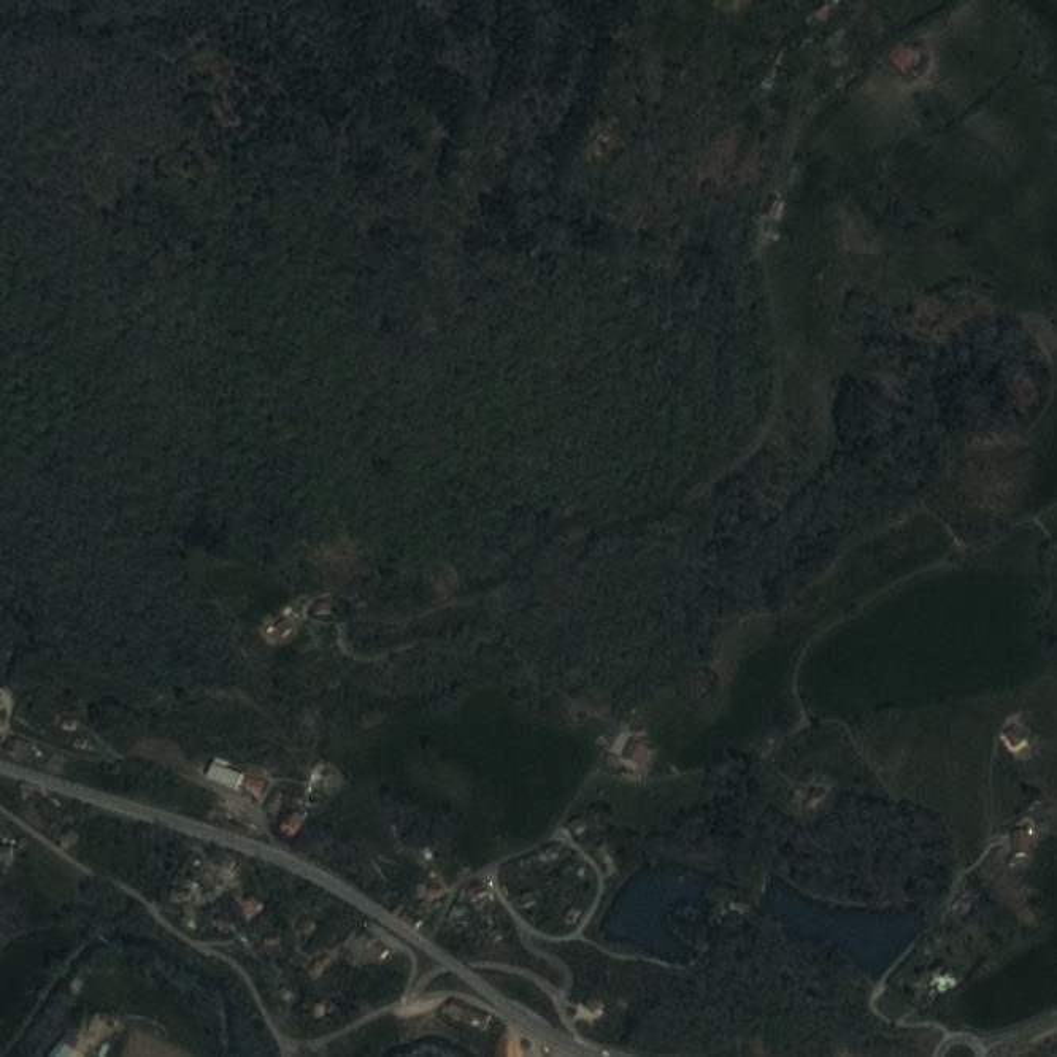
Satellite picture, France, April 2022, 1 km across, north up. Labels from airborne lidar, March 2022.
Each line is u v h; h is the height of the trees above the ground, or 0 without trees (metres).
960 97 0
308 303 15
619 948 10
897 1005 0
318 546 20
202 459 23
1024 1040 0
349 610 12
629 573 15
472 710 0
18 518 23
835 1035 11
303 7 8
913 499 28
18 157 19
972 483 0
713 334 9
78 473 12
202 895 0
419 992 0
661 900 0
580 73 18
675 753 0
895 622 0
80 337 17
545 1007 0
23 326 19
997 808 0
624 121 0
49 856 0
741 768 26
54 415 26
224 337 19
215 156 13
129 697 6
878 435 30
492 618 10
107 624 17
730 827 29
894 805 6
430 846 23
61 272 17
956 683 0
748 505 29
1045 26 7
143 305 13
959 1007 0
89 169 19
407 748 0
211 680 12
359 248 22
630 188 24
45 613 22
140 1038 0
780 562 23
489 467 13
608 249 27
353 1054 0
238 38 9
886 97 0
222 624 19
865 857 19
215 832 0
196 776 0
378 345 14
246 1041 19
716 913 24
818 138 0
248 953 21
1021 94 0
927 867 15
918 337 11
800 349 0
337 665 0
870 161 0
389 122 12
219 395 14
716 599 26
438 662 17
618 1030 0
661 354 23
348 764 0
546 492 19
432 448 15
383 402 21
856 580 0
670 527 17
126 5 22
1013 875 0
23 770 0
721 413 17
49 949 0
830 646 0
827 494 21
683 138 7
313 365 16
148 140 18
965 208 0
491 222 18
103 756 0
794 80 15
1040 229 0
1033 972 0
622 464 19
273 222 24
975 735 0
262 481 23
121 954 22
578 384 15
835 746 0
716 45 10
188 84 8
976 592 0
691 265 19
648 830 0
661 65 0
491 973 0
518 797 0
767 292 22
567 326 12
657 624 16
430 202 14
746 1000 22
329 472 16
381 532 23
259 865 13
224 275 22
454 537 16
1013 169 0
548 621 22
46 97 19
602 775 0
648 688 17
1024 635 0
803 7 7
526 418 10
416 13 22
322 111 9
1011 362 26
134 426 15
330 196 22
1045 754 6
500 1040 0
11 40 22
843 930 0
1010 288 0
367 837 0
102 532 17
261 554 20
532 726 0
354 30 10
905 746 0
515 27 33
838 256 0
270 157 20
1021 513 0
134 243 19
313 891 14
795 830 20
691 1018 17
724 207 20
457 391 16
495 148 18
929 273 0
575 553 7
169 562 20
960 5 15
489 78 10
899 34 8
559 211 12
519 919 0
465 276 14
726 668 0
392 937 0
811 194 0
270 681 9
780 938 20
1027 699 0
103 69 25
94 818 10
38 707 9
